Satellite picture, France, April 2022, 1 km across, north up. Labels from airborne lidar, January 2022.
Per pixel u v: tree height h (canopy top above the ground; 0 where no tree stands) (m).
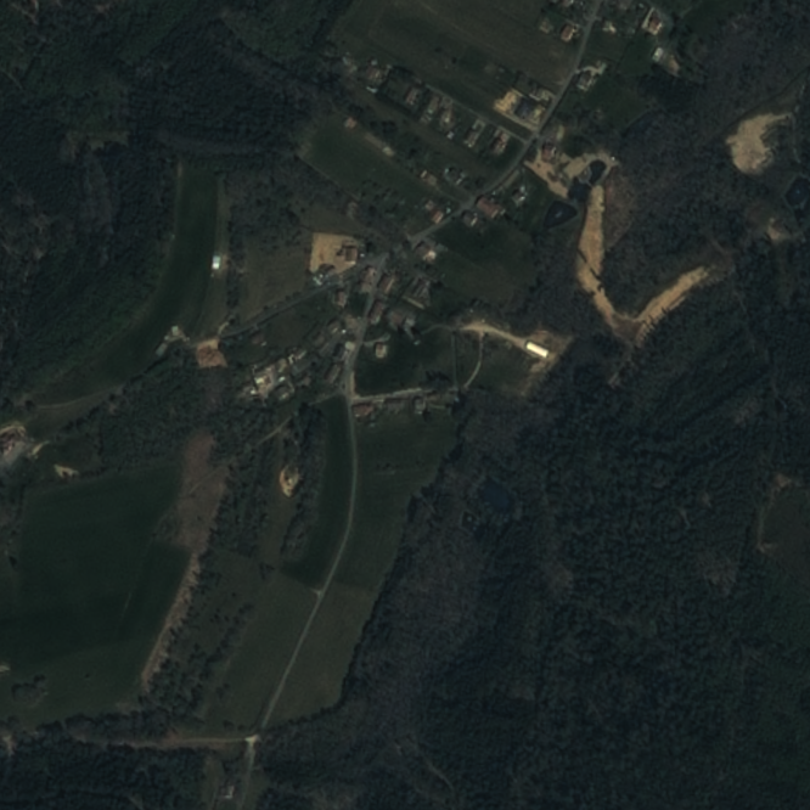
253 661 0
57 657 0
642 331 0
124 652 0
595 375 18
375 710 17
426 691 15
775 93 13
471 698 27
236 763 7
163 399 17
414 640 16
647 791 11
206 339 0
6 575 0
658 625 18
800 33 20
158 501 0
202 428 17
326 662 0
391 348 0
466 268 0
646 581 21
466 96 0
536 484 22
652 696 7
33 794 18
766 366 12
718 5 0
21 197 19
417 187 0
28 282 7
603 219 0
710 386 15
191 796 25
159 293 0
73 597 0
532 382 0
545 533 25
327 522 0
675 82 15
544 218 0
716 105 17
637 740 33
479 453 17
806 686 12
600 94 0
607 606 29
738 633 20
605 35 0
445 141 0
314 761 19
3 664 0
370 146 0
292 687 0
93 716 0
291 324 0
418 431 0
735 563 20
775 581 15
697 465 9
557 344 0
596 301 0
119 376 0
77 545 0
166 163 18
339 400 0
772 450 27
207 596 16
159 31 16
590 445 22
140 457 12
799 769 13
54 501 0
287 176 22
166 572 0
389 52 0
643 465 25
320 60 12
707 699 13
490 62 0
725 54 17
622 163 18
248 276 0
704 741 11
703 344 18
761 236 26
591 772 8
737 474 27
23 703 18
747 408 24
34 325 12
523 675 17
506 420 20
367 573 0
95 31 22
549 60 0
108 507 0
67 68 22
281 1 21
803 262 19
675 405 16
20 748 18
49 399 0
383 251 0
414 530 15
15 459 0
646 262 16
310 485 12
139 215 31
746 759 12
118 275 17
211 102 25
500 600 24
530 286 0
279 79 25
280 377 0
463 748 18
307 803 18
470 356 0
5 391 23
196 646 0
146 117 25
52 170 18
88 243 13
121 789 25
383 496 0
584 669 16
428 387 7
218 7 24
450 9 0
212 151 31
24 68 16
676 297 0
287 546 11
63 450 0
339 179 0
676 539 26
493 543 24
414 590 25
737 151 0
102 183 31
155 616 0
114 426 16
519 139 0
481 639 17
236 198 23
